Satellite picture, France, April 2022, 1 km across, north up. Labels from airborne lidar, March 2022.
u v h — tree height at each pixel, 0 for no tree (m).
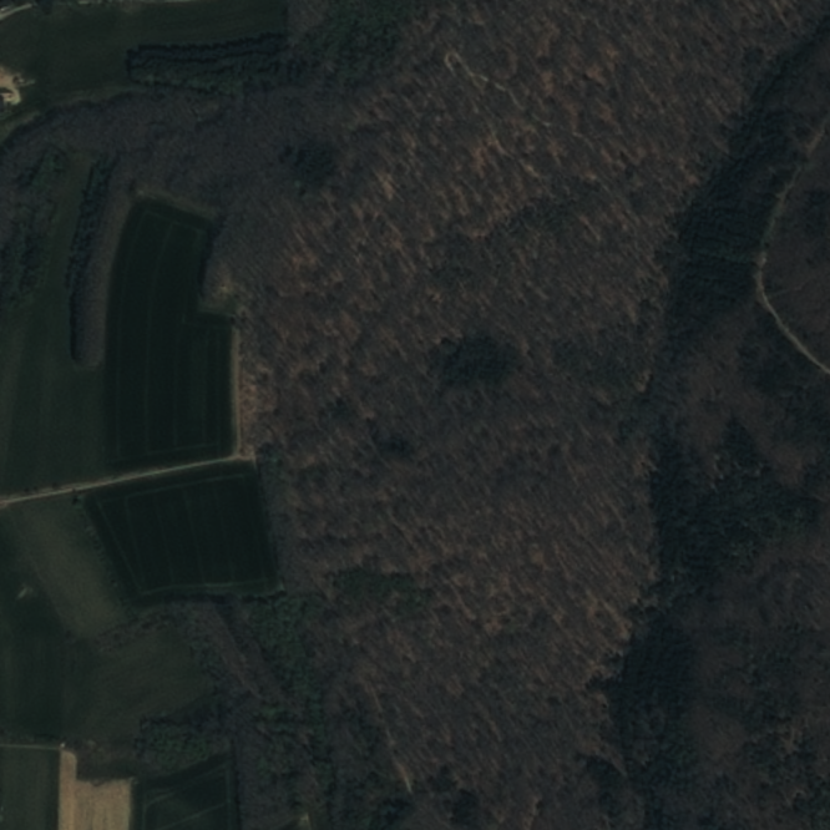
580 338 30
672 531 27
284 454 29
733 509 9
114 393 0
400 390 32
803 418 6
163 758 19
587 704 25
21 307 12
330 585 24
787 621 12
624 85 27
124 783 0
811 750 9
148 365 0
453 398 28
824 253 9
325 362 28
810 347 10
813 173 11
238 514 0
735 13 26
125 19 0
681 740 16
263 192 35
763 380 15
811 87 10
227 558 0
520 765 30
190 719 0
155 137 35
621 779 26
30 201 32
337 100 32
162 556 0
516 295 27
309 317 15
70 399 0
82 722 0
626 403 27
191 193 33
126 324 0
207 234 0
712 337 7
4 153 0
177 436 0
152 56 18
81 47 0
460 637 31
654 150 25
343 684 26
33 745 0
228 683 31
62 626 0
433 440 26
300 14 30
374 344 30
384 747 27
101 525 0
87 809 0
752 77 25
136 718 0
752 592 14
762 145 8
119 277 0
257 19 0
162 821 0
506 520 29
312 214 28
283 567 22
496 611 28
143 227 0
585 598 29
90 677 0
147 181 30
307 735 28
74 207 0
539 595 30
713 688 12
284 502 26
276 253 32
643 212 31
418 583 22
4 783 0
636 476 29
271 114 36
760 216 18
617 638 30
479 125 28
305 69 15
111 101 0
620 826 28
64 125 33
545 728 27
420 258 29
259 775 31
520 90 24
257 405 30
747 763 9
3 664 0
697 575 23
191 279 0
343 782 29
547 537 27
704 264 16
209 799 0
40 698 0
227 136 35
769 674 11
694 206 10
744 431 19
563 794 14
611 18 29
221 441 0
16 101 0
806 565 16
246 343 29
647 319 26
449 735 30
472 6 19
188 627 24
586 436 24
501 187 24
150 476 0
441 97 25
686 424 10
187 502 0
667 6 32
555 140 28
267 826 27
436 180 29
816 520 13
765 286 9
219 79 23
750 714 9
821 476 14
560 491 31
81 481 0
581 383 30
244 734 30
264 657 23
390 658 28
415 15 14
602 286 26
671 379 26
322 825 0
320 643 23
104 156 25
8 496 0
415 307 28
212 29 0
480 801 11
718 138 26
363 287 26
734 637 11
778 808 9
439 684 28
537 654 30
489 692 32
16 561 0
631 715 19
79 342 19
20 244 18
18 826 0
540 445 26
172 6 0
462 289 29
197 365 0
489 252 29
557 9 28
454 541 28
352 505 28
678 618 10
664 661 16
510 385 22
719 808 30
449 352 24
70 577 0
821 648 8
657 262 12
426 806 25
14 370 0
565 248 30
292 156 11
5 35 0
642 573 28
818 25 9
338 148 24
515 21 28
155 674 0
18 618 0
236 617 25
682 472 23
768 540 11
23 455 0
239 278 26
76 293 17
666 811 31
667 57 32
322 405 25
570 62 25
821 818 6
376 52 9
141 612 0
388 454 32
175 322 0
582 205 30
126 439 0
